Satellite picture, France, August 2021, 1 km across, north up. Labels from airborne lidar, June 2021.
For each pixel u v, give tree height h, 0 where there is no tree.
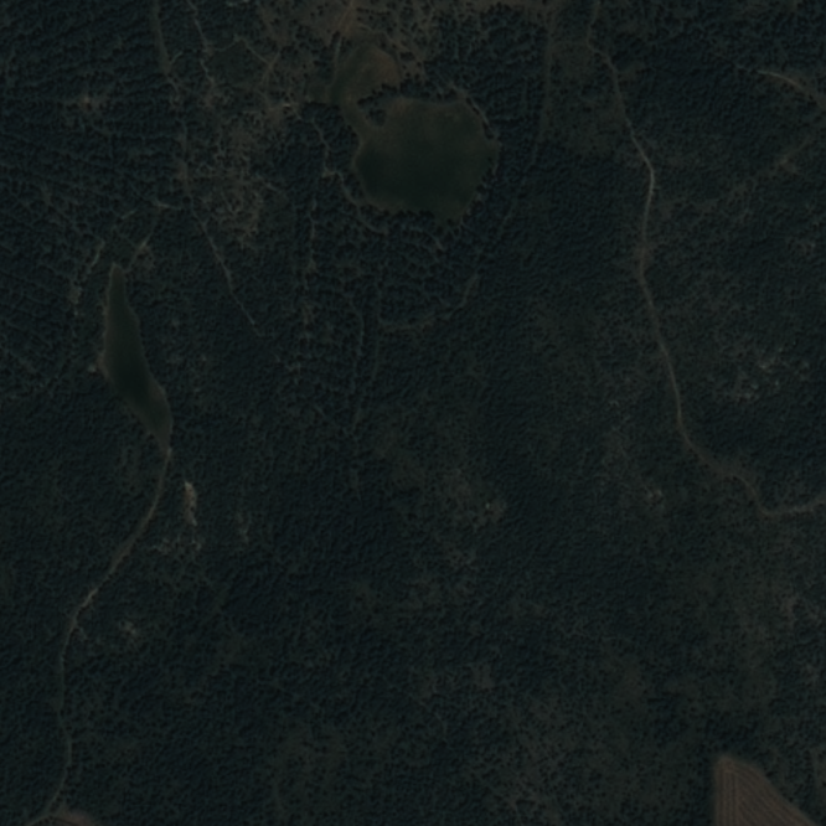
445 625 8
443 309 8
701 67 12
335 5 0
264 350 9
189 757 7
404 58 9
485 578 6
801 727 6
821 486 6
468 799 7
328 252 10
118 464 8
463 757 6
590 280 6
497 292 7
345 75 0
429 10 7
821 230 11
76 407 9
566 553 5
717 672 6
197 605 8
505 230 6
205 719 6
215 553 8
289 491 9
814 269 7
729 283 6
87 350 6
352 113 0
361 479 7
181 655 6
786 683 6
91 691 7
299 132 6
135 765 6
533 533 7
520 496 6
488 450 7
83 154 9
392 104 0
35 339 12
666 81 8
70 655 10
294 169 9
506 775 0
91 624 7
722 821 0
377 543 8
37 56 9
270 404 9
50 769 9
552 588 5
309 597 10
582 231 6
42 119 13
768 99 8
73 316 11
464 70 8
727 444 7
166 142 11
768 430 8
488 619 6
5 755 5
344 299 9
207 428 8
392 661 10
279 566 6
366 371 11
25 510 6
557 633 6
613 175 6
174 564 6
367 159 0
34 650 8
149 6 10
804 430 7
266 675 7
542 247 8
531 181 6
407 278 11
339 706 9
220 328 7
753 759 6
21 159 14
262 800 7
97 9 12
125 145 12
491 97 11
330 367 10
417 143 0
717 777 0
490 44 10
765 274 6
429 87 13
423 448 6
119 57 11
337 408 10
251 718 9
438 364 8
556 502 7
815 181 7
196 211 7
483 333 6
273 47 8
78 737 6
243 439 7
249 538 7
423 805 7
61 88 9
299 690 9
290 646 8
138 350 0
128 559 6
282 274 7
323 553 9
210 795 9
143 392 0
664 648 7
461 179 0
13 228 12
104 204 11
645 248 0
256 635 8
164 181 12
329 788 0
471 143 0
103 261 8
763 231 9
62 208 7
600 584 6
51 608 9
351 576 9
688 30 10
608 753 0
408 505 8
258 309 6
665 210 0
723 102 9
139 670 7
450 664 8
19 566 7
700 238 6
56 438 7
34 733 8
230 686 8
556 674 7
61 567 8
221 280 7
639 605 6
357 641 7
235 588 11
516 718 0
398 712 8
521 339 6
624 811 7
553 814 0
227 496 7
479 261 7
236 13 8
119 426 6
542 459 6
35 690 6
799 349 7
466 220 9
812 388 8
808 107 6
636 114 7
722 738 8
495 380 6
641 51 9
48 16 11
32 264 11
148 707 9
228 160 6
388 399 7
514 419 7
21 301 7
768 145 7
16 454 8
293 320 8
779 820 0
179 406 6
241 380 7
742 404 6
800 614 6
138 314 7
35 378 10
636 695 0
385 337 8
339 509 7
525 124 12
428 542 8
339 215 11
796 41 10
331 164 9
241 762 7
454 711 8
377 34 0
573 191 6
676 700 8
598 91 8
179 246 6
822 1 10
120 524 6
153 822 7
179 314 6
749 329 6
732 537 6
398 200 0
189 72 7
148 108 7
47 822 6
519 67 10
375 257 12
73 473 6
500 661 7
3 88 10
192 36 6
